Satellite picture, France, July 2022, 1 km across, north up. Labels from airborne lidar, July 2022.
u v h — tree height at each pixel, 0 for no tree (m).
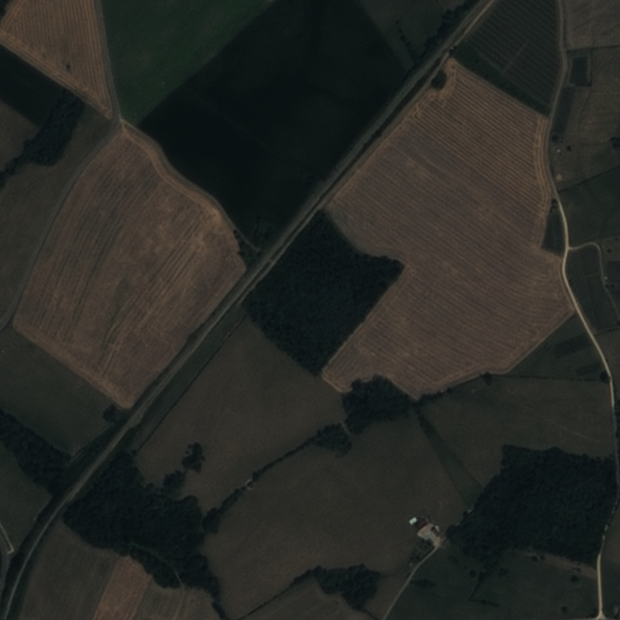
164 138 0
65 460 20
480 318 0
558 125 0
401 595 0
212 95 0
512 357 0
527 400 0
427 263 0
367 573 17
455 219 0
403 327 0
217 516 17
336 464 0
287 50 0
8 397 0
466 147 0
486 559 13
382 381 19
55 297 0
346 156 0
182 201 0
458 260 0
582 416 0
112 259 0
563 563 0
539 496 18
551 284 0
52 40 0
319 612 0
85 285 0
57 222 0
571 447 0
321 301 16
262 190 0
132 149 0
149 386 0
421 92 0
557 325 0
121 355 0
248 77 0
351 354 0
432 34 0
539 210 0
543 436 0
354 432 9
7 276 0
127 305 0
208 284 0
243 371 0
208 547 0
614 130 0
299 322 18
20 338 0
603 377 12
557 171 0
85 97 0
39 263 0
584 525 19
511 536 17
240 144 0
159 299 0
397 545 0
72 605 0
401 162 0
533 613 0
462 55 0
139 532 24
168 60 0
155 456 0
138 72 0
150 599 0
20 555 8
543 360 0
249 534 0
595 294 0
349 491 0
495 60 0
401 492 0
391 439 0
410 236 0
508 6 0
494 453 0
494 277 0
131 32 0
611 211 0
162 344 0
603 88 0
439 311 0
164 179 0
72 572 0
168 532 27
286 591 0
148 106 0
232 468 0
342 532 0
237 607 0
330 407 0
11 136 0
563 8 0
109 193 0
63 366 0
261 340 0
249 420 0
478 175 0
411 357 0
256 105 0
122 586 0
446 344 0
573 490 23
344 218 0
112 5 0
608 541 0
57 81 0
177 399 0
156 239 0
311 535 0
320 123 0
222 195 0
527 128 0
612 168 0
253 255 6
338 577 8
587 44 0
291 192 0
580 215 0
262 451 0
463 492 0
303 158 0
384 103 0
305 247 7
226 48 0
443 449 0
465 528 7
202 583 18
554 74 0
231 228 0
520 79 0
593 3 0
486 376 11
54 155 19
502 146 0
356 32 0
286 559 0
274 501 0
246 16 0
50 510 11
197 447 11
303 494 0
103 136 0
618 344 0
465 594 0
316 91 0
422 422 6
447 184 0
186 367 0
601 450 0
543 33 0
